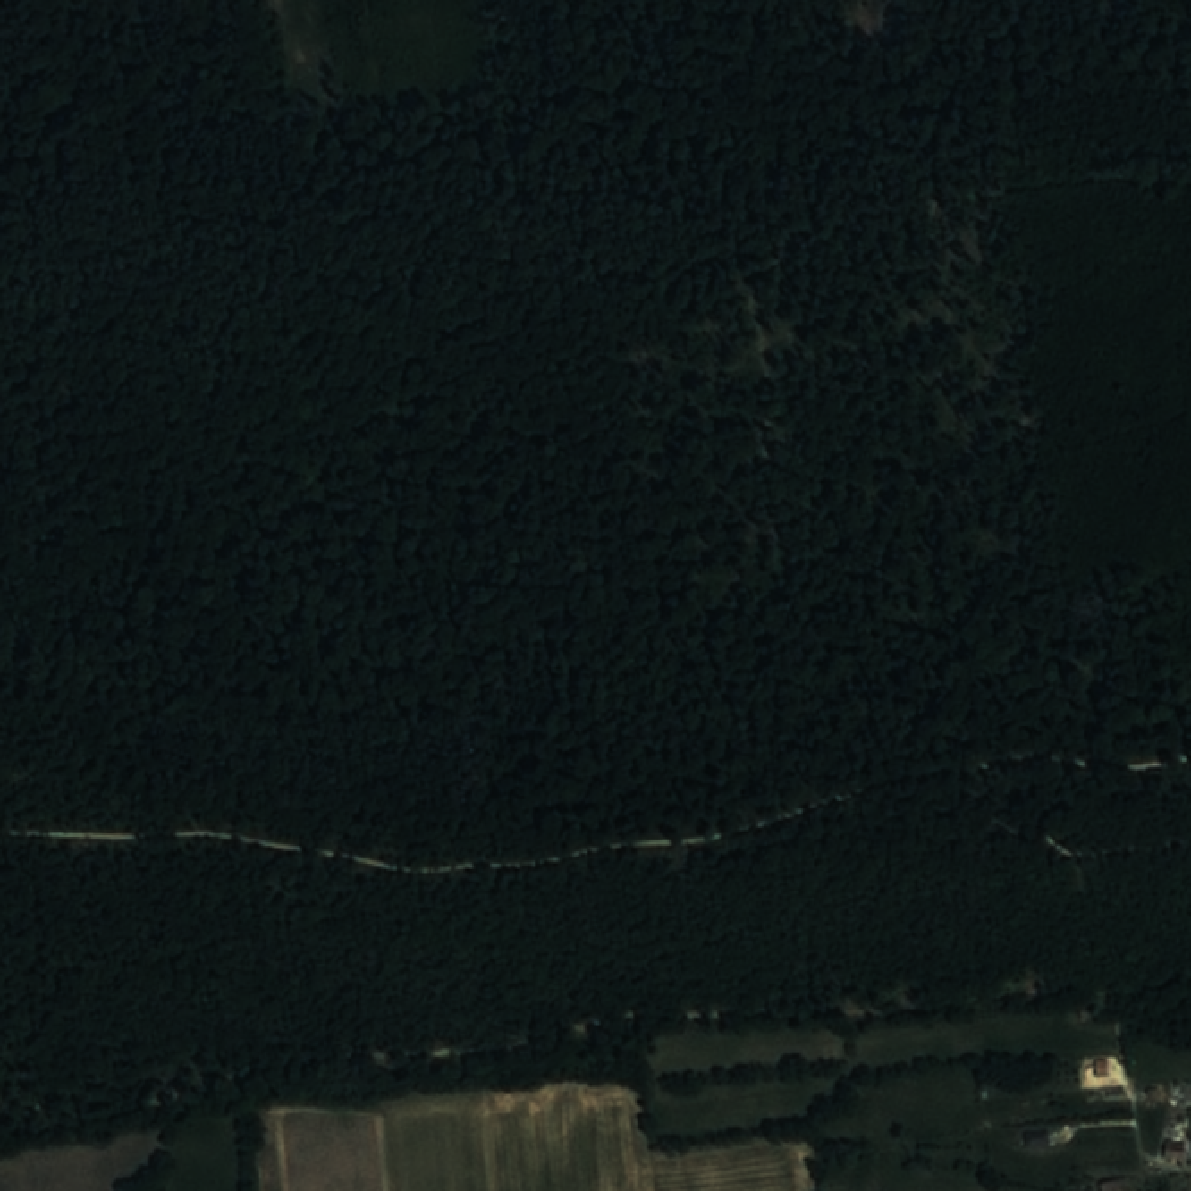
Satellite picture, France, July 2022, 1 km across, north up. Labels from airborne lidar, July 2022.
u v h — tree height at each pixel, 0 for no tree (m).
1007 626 27
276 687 31
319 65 0
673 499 22
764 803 22
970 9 22
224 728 26
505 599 34
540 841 23
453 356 25
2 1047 26
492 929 15
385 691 27
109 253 17
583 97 28
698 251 22
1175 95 17
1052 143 15
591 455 30
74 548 29
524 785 25
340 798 27
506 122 6
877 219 22
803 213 23
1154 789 20
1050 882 11
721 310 24
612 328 28
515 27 16
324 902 23
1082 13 28
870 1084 17
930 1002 27
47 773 12
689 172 28
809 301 18
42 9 25
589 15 18
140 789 15
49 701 22
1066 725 22
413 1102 0
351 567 31
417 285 27
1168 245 12
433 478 15
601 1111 0
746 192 29
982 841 17
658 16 32
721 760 13
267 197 25
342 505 28
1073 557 11
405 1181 0
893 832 18
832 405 26
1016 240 31
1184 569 9
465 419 29
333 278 23
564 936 19
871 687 23
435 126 32
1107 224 10
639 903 14
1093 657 30
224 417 28
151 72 33
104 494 28
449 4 0
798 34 34
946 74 26
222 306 25
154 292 26
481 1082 20
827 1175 10
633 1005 15
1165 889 15
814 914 13
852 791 17
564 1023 20
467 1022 14
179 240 22
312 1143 0
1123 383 9
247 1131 20
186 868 21
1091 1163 0
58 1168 0
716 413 25
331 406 23
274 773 26
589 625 29
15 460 28
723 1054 0
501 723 23
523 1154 0
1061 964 15
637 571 32
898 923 16
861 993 25
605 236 23
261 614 33
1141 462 13
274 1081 24
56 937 28
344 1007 15
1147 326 11
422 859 18
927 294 16
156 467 28
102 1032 17
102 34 25
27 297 25
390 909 11
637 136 26
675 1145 18
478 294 26
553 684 22
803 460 21
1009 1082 18
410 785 26
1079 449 11
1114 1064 0
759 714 26
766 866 21
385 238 29
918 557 29
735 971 16
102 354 28
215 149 30
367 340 27
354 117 33
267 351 29
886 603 6
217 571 34
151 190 30
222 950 23
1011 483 20
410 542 32
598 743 25
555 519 25
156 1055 17
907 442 29
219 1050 18
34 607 30
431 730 29
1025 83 30
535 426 27
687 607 30
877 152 34
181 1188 0
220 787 28
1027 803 27
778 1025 22
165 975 18
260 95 31
